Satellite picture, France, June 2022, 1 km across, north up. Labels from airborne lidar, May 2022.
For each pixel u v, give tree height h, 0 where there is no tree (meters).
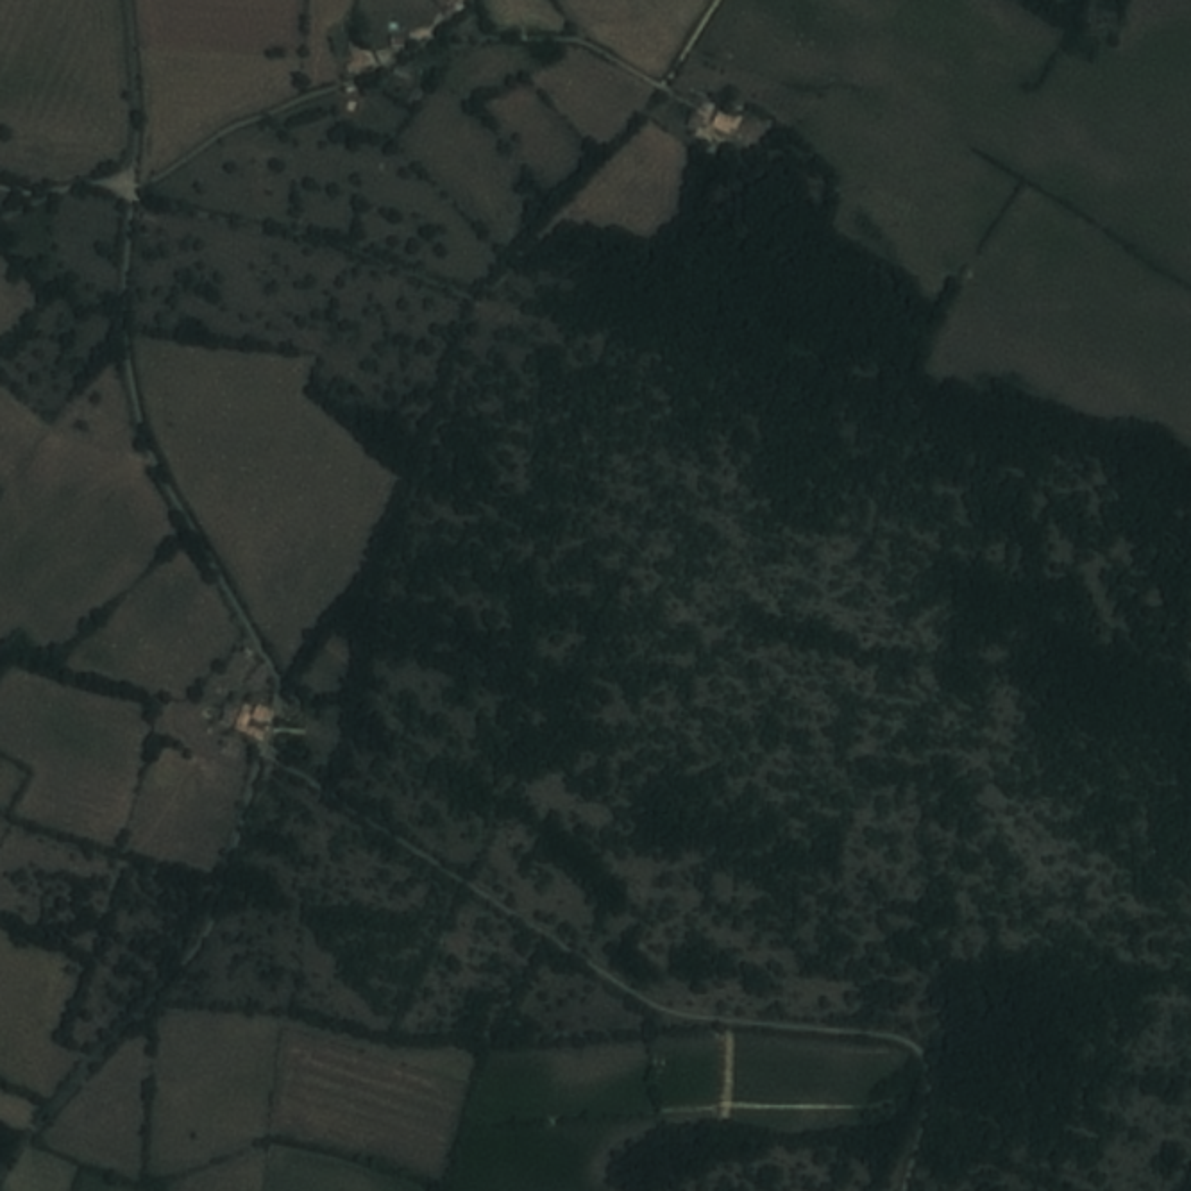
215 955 0
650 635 7
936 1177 9
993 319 0
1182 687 10
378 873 7
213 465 0
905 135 0
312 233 9
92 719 0
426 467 8
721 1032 10
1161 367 0
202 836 0
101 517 0
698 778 8
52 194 7
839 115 0
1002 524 11
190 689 8
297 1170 0
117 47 0
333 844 8
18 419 0
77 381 8
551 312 7
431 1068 0
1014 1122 10
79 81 0
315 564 0
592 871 10
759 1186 8
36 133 0
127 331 10
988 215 0
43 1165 0
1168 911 6
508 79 9
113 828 0
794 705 6
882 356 13
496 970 8
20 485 0
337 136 12
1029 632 7
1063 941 7
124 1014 9
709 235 14
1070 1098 11
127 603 0
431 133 0
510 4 0
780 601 6
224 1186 0
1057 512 10
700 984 7
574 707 7
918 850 7
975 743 7
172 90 0
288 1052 0
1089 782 8
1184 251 0
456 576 7
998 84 0
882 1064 0
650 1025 9
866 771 5
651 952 8
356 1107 0
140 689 9
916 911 6
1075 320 0
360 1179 0
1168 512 11
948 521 9
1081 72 0
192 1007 7
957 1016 13
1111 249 0
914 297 13
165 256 6
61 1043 10
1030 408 12
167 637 0
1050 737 8
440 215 0
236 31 0
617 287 13
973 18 0
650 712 6
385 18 0
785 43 0
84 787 0
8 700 0
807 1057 0
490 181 0
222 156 0
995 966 10
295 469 0
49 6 0
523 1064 0
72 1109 0
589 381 8
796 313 13
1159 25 0
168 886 8
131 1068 0
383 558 8
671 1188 10
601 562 6
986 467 10
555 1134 0
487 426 8
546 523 7
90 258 0
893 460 8
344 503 0
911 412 11
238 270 0
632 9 0
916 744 9
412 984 7
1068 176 0
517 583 12
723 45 0
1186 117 0
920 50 0
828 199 10
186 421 0
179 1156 0
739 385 12
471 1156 0
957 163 0
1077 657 11
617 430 7
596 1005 0
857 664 8
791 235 15
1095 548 10
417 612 7
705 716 7
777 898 7
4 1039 0
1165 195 0
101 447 0
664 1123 11
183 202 8
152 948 8
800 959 6
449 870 10
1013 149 0
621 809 9
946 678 8
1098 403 0
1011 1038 13
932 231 0
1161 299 0
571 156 0
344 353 0
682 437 9
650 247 13
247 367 0
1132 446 11
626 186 0
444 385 8
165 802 0
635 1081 0
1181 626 8
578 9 0
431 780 6
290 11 0
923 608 7
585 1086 0
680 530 7
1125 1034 9
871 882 9
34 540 0
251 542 0
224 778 0
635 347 10
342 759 11
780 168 10
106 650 0
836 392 12
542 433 7
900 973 9
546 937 10
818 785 6
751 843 8
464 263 0
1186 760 9
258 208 0
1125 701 9
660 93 10
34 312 7
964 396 11
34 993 0
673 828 9
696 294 13
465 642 9
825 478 7
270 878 8
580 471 6
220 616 0
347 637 10
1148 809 7
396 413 9
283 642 0
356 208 10
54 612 0
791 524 6
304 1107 0
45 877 8
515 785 7
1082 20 8
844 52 0
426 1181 7
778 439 9
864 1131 13
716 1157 10
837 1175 10
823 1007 7
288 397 0
